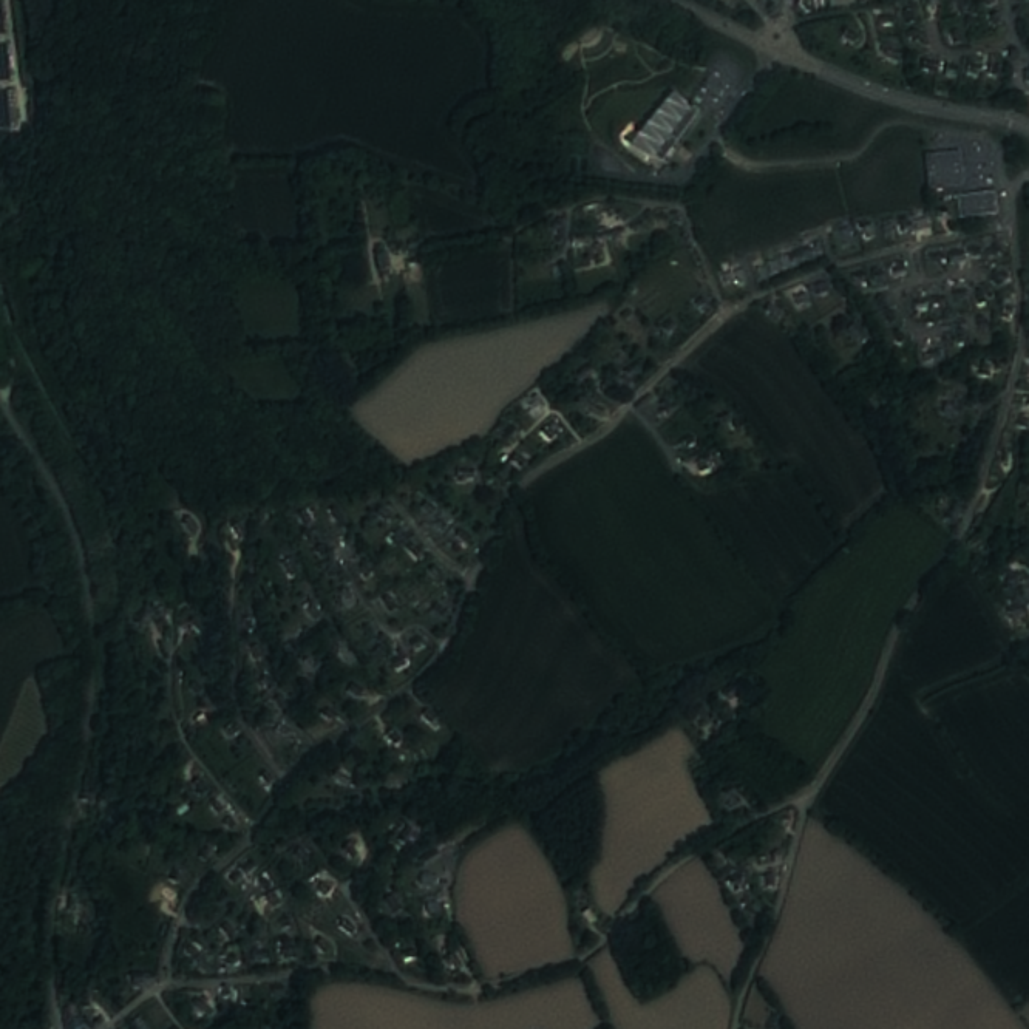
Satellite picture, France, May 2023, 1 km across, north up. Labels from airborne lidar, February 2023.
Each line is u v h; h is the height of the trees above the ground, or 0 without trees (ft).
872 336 22
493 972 0
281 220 0
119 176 61
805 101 0
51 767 66
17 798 59
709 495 0
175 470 65
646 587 0
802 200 0
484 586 41
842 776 0
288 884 18
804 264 25
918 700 0
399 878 32
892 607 0
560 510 0
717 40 0
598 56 0
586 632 0
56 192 58
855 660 0
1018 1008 20
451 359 0
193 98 74
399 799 28
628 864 0
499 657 0
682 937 0
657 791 0
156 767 47
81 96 48
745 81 0
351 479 72
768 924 52
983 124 0
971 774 23
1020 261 0
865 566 0
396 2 0
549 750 0
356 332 74
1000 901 0
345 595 0
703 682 81
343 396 97
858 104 0
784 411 0
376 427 0
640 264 34
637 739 29
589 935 42
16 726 0
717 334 0
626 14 59
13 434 27
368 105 0
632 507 0
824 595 0
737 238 0
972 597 0
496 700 0
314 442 72
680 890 0
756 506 0
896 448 64
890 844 0
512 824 0
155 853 0
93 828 26
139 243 86
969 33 21
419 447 0
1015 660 49
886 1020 0
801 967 0
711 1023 0
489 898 0
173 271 74
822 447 0
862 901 0
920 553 0
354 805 33
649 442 0
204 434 71
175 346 66
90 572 45
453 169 0
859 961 0
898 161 0
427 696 45
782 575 0
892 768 0
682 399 33
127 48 73
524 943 0
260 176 0
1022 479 23
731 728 31
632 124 0
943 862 0
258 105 0
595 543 0
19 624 0
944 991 0
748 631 0
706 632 0
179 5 76
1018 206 0
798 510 0
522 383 0
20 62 22
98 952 54
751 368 0
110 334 62
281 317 0
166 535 60
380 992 0
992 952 0
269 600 31
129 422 70
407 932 62
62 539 55
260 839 40
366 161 75
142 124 63
